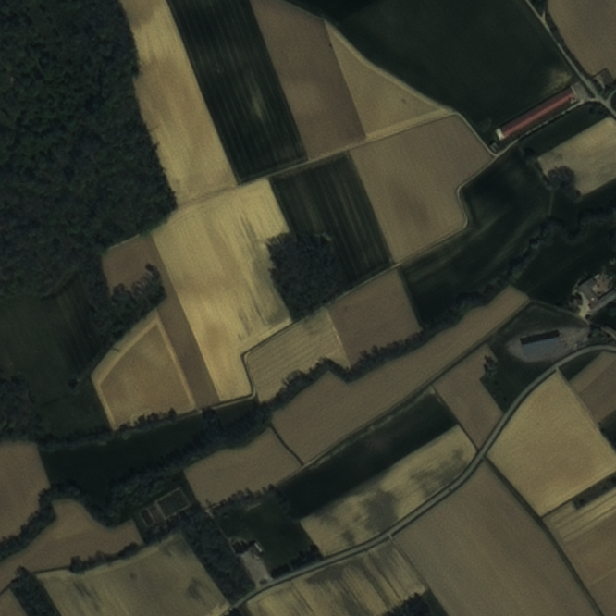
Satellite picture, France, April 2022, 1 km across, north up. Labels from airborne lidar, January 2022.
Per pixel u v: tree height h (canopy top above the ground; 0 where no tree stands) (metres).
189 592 0
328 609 0
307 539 0
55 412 0
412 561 0
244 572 19
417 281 0
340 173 0
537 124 0
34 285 26
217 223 0
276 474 0
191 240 0
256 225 0
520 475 0
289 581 0
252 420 0
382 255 0
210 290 0
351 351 0
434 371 0
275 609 0
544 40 0
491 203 0
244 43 0
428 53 0
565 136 0
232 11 0
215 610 0
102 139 33
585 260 0
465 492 0
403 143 0
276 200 0
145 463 0
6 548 20
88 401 0
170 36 0
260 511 0
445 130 0
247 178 0
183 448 0
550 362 0
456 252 0
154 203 21
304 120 0
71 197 31
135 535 0
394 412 0
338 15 0
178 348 0
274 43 0
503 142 0
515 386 0
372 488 0
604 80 0
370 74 0
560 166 0
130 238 0
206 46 0
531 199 0
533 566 0
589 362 0
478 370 0
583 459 0
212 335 0
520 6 0
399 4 0
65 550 0
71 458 0
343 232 0
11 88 28
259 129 0
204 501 0
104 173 29
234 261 0
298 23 0
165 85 0
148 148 21
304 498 0
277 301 0
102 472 0
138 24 0
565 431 0
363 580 0
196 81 0
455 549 0
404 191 0
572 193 16
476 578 0
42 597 22
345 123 0
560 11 0
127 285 0
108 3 31
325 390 0
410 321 0
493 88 0
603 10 0
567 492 0
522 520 0
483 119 0
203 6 0
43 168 34
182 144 0
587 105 10
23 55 33
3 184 30
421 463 0
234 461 0
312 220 0
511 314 0
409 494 0
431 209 0
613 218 17
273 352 0
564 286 0
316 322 0
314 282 16
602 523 0
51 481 0
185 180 0
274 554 0
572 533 0
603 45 0
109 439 17
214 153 0
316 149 0
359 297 0
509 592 0
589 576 0
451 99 0
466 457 0
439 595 0
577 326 0
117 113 34
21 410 24
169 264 0
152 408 0
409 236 0
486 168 0
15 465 0
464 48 0
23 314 0
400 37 0
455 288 0
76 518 0
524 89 0
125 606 0
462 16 0
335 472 0
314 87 0
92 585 0
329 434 0
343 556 0
